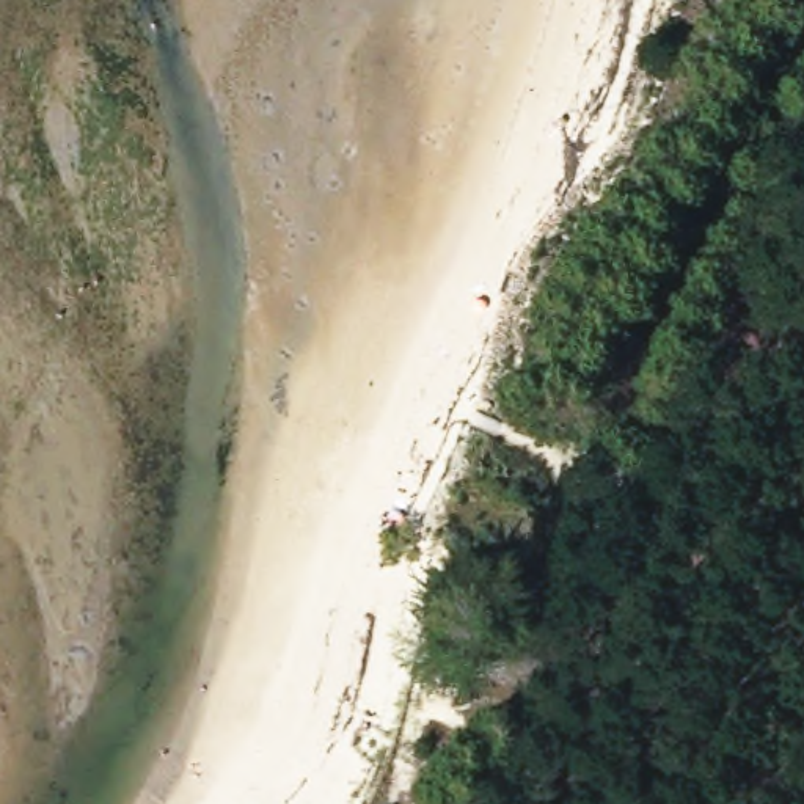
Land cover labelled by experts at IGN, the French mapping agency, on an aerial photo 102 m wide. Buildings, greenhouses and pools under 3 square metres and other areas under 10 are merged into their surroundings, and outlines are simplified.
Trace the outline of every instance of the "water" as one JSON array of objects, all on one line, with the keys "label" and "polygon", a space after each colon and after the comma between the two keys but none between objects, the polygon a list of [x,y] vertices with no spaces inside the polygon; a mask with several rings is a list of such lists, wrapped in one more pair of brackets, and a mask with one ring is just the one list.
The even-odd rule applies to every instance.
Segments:
[{"label": "water", "polygon": [[116,638],[107,638],[101,650],[97,688],[88,700],[88,710],[69,729],[53,776],[25,791],[19,804],[132,804],[151,763],[160,754],[170,754],[173,729],[188,704],[192,678],[201,663],[201,644],[214,606],[214,584],[220,565],[220,534],[226,528],[226,471],[239,437],[245,358],[242,311],[248,295],[248,270],[245,245],[239,236],[239,198],[229,176],[229,144],[217,129],[217,113],[201,91],[201,79],[195,75],[188,53],[182,50],[182,44],[188,41],[188,28],[182,25],[179,0],[0,0],[0,264],[3,283],[9,283],[13,292],[25,292],[31,298],[31,308],[25,314],[16,314],[16,323],[38,323],[41,349],[69,342],[69,355],[85,361],[88,380],[104,396],[85,415],[97,427],[101,443],[110,449],[107,506],[116,528],[113,553],[107,556]]}]

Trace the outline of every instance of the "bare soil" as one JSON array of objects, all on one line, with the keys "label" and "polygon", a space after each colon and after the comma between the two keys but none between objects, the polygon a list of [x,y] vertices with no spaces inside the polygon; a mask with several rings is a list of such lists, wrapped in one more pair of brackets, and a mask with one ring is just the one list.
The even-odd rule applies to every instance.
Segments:
[{"label": "bare soil", "polygon": [[[449,697],[424,688],[418,678],[408,675],[408,669],[421,644],[415,606],[421,606],[427,572],[443,568],[449,556],[446,543],[437,540],[437,528],[446,524],[449,487],[468,471],[468,437],[477,430],[496,433],[512,446],[528,449],[531,455],[540,455],[556,474],[575,459],[575,446],[537,443],[534,437],[515,430],[506,421],[487,418],[484,408],[496,377],[503,374],[503,352],[512,349],[515,364],[524,364],[524,323],[537,295],[537,289],[528,280],[534,245],[543,236],[556,236],[559,220],[572,207],[594,204],[606,195],[609,185],[622,179],[622,154],[631,151],[634,132],[641,132],[650,122],[650,113],[641,110],[647,75],[634,63],[634,57],[641,38],[653,35],[669,19],[672,0],[179,0],[182,25],[188,28],[188,41],[182,44],[182,50],[188,53],[195,75],[201,79],[201,91],[217,113],[217,129],[229,144],[229,176],[239,198],[239,236],[245,245],[248,270],[248,295],[242,311],[245,358],[239,437],[226,471],[226,528],[220,534],[220,565],[214,584],[214,606],[201,644],[201,663],[192,678],[188,704],[173,729],[170,754],[160,754],[151,763],[132,804],[396,804],[418,776],[415,741],[424,735],[424,729],[430,722],[455,729],[465,725],[462,713],[452,707]],[[383,528],[399,521],[402,509],[421,512],[424,518],[418,531],[421,556],[411,562],[383,565],[380,534]]]},{"label": "bare soil", "polygon": [[0,804],[19,804],[25,791],[53,776],[69,729],[88,710],[88,700],[97,688],[101,650],[107,638],[116,638],[107,556],[113,553],[116,528],[107,506],[110,449],[101,443],[97,427],[85,415],[104,396],[88,380],[85,361],[69,355],[69,342],[41,349],[38,323],[16,323],[16,314],[25,314],[31,308],[31,298],[25,292],[13,292],[9,283],[3,283],[0,264]]}]

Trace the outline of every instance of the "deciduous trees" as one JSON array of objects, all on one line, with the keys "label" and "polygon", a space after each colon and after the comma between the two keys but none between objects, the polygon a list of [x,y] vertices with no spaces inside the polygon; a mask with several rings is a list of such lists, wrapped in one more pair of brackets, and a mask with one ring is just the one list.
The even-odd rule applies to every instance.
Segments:
[{"label": "deciduous trees", "polygon": [[546,660],[540,669],[531,672],[528,682],[521,682],[512,691],[509,700],[503,700],[503,725],[509,732],[503,754],[490,751],[487,732],[474,738],[474,779],[468,804],[804,804],[804,0],[729,0],[719,3],[710,16],[716,22],[716,41],[700,41],[688,35],[688,41],[678,50],[678,60],[669,57],[666,44],[660,44],[653,35],[641,38],[634,57],[634,63],[647,75],[697,75],[697,97],[685,101],[685,113],[669,122],[650,122],[641,132],[634,132],[631,151],[622,154],[622,179],[609,185],[606,195],[594,204],[594,210],[587,214],[587,239],[572,258],[575,264],[581,264],[584,280],[578,292],[572,289],[565,295],[568,317],[559,339],[550,345],[550,358],[559,361],[562,377],[578,383],[578,389],[590,389],[594,433],[587,452],[575,459],[556,474],[556,481],[565,490],[565,499],[562,518],[553,531],[553,550],[537,550],[528,562],[518,562],[503,572],[487,572],[471,584],[474,600],[484,603],[484,612],[490,616],[490,628],[496,634],[512,638],[524,625],[543,625],[546,631],[562,638],[562,644],[572,653],[562,660]]}]

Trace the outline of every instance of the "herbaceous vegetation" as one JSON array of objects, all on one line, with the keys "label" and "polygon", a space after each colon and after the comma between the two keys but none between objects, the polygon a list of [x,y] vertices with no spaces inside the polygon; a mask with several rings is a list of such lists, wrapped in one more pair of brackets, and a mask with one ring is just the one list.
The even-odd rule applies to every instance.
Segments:
[{"label": "herbaceous vegetation", "polygon": [[421,556],[418,531],[424,518],[421,512],[402,509],[399,521],[383,528],[380,534],[383,565],[411,562]]},{"label": "herbaceous vegetation", "polygon": [[719,3],[729,0],[672,0],[669,19],[653,35],[660,44],[666,44],[669,57],[678,60],[678,50],[688,41],[688,35],[700,41],[716,41],[716,22],[710,16]]},{"label": "herbaceous vegetation", "polygon": [[685,101],[697,97],[697,75],[647,75],[641,110],[650,113],[650,122],[669,122],[685,113]]},{"label": "herbaceous vegetation", "polygon": [[424,729],[424,735],[415,741],[418,776],[396,804],[468,804],[474,779],[474,738],[487,732],[490,751],[503,754],[509,732],[503,725],[503,700],[509,700],[512,691],[521,682],[528,682],[531,672],[540,669],[546,660],[562,660],[572,653],[562,644],[562,638],[546,631],[543,625],[524,625],[512,638],[496,634],[490,628],[490,616],[484,612],[484,603],[474,600],[471,584],[487,572],[503,572],[518,562],[528,562],[537,550],[553,550],[553,531],[562,518],[565,499],[565,490],[556,481],[556,474],[540,455],[531,455],[528,449],[512,446],[496,433],[477,430],[468,437],[468,471],[449,487],[446,524],[437,528],[437,540],[446,543],[449,556],[443,568],[427,572],[421,606],[415,606],[421,644],[408,669],[408,675],[418,678],[424,688],[449,697],[452,707],[462,713],[465,725],[455,729],[430,722]]},{"label": "herbaceous vegetation", "polygon": [[584,280],[581,264],[575,264],[572,258],[587,239],[587,214],[594,210],[594,204],[572,207],[559,220],[556,236],[543,236],[534,245],[528,280],[537,289],[537,295],[524,323],[524,364],[515,364],[512,349],[503,352],[503,374],[496,377],[484,408],[487,418],[506,421],[515,430],[534,437],[537,443],[575,446],[575,459],[587,452],[594,433],[590,389],[578,389],[578,383],[562,377],[559,361],[550,358],[550,345],[559,339],[568,317],[565,295],[572,289],[578,292]]}]

